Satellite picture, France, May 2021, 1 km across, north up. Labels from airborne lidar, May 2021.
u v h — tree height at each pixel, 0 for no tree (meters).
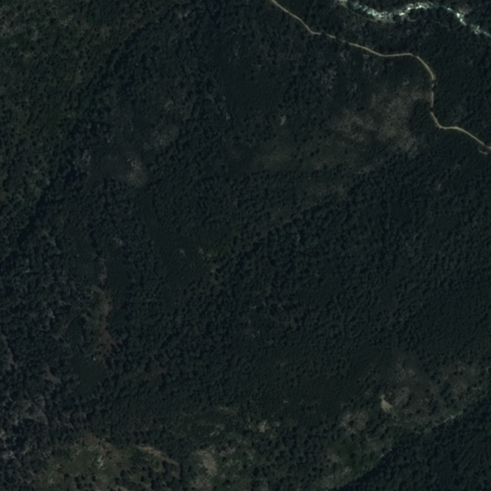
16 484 17
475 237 10
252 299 9
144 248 16
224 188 30
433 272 20
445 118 15
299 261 32
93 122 11
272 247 35
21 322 24
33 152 10
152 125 6
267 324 10
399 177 24
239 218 25
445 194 20
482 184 22
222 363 20
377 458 14
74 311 25
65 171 23
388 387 13
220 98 7
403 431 7
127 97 8
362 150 5
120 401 31
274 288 8
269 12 7
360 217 9
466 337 20
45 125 13
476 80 13
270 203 24
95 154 7
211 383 29
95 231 26
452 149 7
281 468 35
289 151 0
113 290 6
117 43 10
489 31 7
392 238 24
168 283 9
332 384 12
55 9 14
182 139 21
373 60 20
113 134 25
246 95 8
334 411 9
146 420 30
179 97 6
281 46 26
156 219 8
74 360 7
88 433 29
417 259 25
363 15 12
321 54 6
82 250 5
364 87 9
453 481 11
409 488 26
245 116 6
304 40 18
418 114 19
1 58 23
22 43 9
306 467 28
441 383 25
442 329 16
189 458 27
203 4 30
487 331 19
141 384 7
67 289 21
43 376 30
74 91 11
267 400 13
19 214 14
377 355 6
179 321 27
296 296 12
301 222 27
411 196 15
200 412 27
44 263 11
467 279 16
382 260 18
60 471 9
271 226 8
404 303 18
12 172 26
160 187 25
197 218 6
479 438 33
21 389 31
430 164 14
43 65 17
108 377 7
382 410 19
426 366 21
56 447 19
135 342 27
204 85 23
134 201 6
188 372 28
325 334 25
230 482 27
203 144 21
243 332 23
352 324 25
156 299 25
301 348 24
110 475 0
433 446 21
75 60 10
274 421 10
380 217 7
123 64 30
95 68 17
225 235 11
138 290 20
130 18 7
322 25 10
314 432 30
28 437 28
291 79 6
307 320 23
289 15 22
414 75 6
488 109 19
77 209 35
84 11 29
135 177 0
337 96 8
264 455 33
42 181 8
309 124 19
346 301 21
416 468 25
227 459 20
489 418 25
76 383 18
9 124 23
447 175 16
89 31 10
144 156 7
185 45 25
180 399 27
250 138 22
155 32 29
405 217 9
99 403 29
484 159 11
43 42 27
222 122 7
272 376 24
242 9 23
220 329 32
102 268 7
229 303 23
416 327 21
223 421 8
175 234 7
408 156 18
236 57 9
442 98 18
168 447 33
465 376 15
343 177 16
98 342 35
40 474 20
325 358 26
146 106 6
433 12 25
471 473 28
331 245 30
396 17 11
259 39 23
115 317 9
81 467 0
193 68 29
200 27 28
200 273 10
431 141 10
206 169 7
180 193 31
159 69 8
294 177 18
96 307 33
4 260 16
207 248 11
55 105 7
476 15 29
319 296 11
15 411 27
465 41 26
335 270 9
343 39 17
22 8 27
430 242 10
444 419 18
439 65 11
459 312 20
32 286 22
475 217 26
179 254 7
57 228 29
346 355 22
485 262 23
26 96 19
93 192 23
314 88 24
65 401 8
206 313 28
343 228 32
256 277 11
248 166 8
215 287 24
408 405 17
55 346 21
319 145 12
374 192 9
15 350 26
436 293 19
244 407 22
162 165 21
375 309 19
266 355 26
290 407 12
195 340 23
